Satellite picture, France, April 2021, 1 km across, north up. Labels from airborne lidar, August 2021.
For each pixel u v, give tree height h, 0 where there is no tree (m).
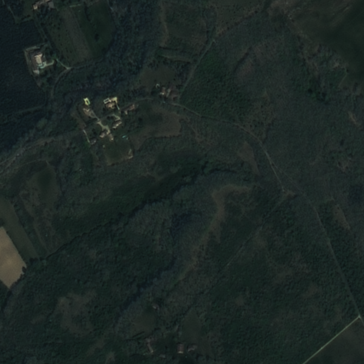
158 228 18
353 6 0
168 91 9
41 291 11
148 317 0
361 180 14
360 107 21
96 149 16
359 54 0
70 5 11
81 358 8
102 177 16
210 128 13
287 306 9
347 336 0
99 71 7
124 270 9
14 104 9
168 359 11
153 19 11
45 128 15
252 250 6
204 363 18
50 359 16
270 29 18
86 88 9
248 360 6
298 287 8
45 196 0
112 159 0
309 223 18
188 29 0
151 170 11
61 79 7
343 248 10
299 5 7
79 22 8
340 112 21
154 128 0
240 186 15
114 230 17
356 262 10
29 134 12
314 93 24
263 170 18
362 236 19
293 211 17
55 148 14
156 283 23
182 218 11
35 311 11
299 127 15
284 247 10
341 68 10
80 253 8
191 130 11
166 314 12
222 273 8
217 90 6
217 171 15
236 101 8
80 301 0
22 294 9
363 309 12
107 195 19
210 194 14
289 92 17
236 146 13
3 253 0
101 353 8
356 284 12
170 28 0
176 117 0
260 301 6
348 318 9
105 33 0
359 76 0
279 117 16
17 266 0
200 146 13
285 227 6
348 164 9
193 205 14
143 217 21
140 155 16
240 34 16
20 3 8
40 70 10
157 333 12
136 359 11
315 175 17
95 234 8
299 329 6
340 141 10
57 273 12
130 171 15
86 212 6
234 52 15
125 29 18
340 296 6
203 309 14
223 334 6
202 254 10
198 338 0
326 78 17
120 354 0
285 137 15
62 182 14
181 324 8
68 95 10
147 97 12
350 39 0
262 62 18
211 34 12
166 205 18
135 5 12
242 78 18
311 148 18
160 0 13
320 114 16
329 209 11
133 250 6
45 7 13
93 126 12
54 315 9
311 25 0
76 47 7
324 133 16
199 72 6
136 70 18
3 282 10
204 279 6
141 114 15
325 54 16
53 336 14
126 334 14
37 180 0
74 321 10
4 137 7
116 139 7
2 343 10
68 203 6
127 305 7
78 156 16
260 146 14
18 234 0
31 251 0
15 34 8
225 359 7
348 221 17
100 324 7
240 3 0
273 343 7
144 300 21
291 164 15
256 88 17
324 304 8
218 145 10
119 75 15
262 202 6
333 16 0
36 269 19
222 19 7
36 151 15
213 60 7
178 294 12
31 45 10
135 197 6
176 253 20
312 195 18
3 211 0
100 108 16
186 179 12
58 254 9
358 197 17
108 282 7
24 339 8
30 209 0
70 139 12
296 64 18
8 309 27
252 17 12
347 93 18
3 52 11
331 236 9
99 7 0
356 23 0
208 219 21
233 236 8
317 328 10
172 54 15
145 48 9
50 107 16
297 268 7
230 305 7
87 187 13
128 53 11
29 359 17
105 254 9
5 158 13
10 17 9
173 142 17
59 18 9
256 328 9
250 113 7
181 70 7
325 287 9
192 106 8
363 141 17
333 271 13
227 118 7
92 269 6
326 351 0
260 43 21
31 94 11
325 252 12
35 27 9
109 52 18
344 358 0
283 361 7
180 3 13
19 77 6
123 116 8
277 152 17
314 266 10
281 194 17
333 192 19
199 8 10
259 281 7
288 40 17
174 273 21
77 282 8
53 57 17
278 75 18
